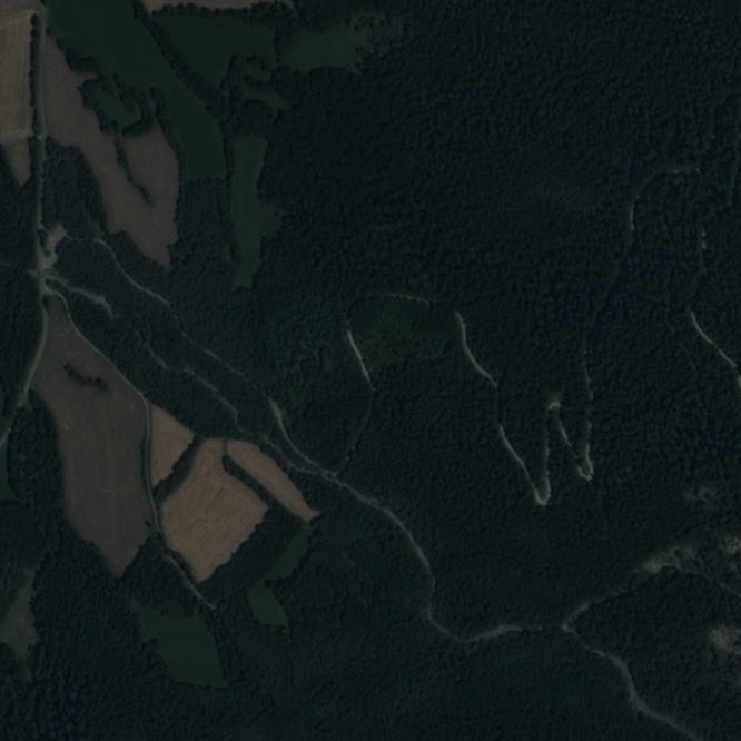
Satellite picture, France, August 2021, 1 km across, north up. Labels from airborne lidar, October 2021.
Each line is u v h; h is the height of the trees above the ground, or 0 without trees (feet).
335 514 39
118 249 38
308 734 52
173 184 0
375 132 65
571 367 56
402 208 95
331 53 0
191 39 0
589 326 60
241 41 0
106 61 0
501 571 46
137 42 0
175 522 0
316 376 53
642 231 31
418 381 67
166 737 92
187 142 0
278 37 33
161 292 29
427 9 85
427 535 46
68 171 33
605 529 61
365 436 34
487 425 59
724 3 78
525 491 42
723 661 19
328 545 49
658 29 62
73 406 0
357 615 46
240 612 38
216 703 40
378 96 66
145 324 23
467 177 102
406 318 26
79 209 31
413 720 40
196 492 0
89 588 74
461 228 89
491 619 40
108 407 0
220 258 33
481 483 54
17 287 54
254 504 0
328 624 48
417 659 39
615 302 84
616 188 75
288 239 67
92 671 89
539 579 51
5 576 36
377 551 31
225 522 0
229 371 31
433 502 52
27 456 67
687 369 50
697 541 30
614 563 54
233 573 30
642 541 64
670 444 63
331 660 40
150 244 0
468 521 49
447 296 59
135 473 0
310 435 30
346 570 50
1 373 45
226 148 33
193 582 47
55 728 62
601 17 65
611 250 83
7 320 61
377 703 37
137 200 0
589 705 43
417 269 77
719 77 93
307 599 46
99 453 0
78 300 34
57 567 69
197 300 30
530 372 53
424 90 89
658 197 73
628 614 62
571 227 71
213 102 47
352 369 35
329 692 42
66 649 86
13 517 76
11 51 0
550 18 68
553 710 34
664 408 74
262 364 35
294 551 0
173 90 0
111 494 0
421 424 63
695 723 37
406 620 33
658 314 55
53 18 0
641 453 62
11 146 0
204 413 39
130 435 0
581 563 71
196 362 38
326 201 85
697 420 73
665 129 108
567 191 52
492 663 32
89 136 0
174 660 0
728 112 70
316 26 64
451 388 61
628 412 49
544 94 97
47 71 0
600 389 39
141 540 0
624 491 68
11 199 34
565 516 66
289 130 68
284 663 38
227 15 56
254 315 43
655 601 78
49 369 0
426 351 33
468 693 49
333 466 45
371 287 78
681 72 82
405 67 90
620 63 69
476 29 51
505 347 56
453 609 57
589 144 73
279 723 65
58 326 0
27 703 91
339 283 73
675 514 55
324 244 81
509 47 70
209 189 43
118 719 78
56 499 62
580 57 73
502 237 87
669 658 30
